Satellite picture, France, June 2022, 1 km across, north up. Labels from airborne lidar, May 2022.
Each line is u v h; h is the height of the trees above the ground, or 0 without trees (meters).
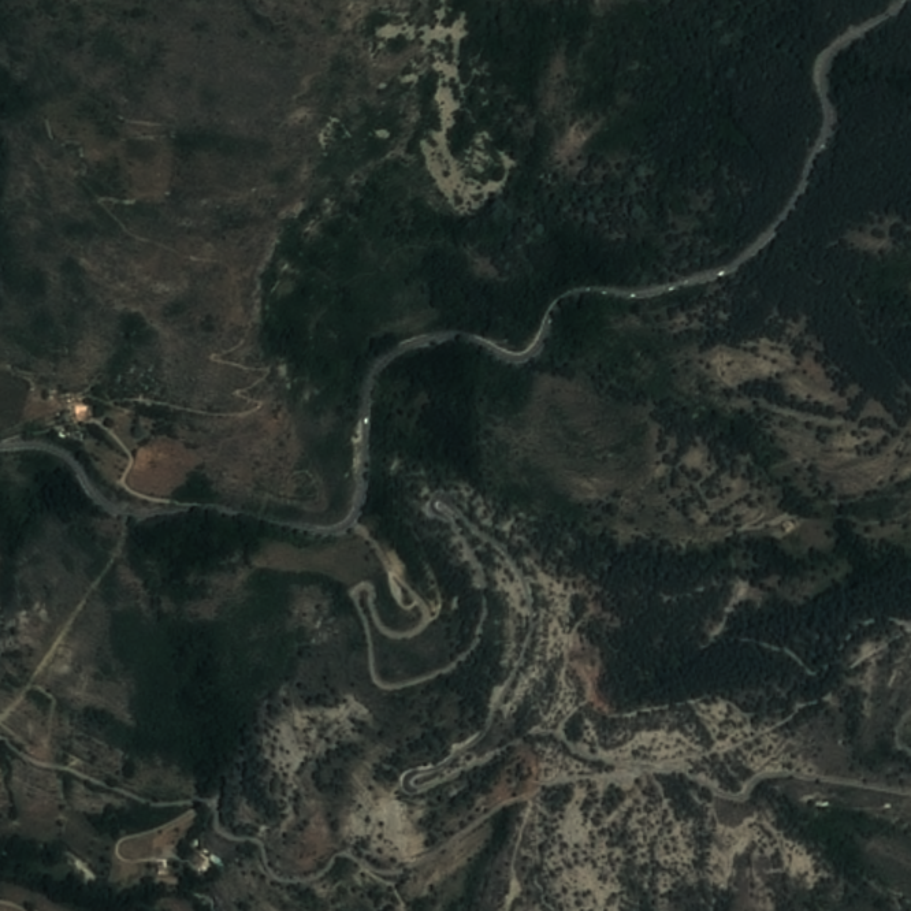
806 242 15
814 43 21
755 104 17
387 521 10
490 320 10
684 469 8
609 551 9
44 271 0
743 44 12
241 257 0
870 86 23
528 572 6
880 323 8
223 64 0
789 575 7
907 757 7
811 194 18
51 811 0
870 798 0
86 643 0
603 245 16
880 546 10
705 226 6
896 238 12
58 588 0
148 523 9
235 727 11
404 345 0
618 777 0
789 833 6
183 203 0
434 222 9
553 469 0
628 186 17
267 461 0
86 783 9
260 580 7
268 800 10
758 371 0
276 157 0
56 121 0
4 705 0
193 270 0
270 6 0
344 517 0
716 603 9
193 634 8
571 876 0
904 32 19
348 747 6
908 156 17
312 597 0
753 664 11
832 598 8
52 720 0
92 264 0
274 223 0
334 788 9
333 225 7
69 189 0
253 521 15
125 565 0
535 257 13
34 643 0
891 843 0
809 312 9
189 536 13
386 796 0
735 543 10
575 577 6
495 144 7
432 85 6
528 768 5
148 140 0
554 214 8
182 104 0
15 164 0
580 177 11
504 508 7
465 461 13
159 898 7
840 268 17
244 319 0
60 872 0
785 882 6
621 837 6
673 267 11
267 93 0
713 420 10
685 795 7
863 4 13
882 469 0
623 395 8
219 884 0
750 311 13
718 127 10
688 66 17
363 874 7
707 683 11
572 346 6
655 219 9
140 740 9
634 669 12
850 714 8
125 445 0
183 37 0
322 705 8
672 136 9
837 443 0
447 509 0
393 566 0
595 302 14
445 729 9
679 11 16
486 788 7
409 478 8
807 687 10
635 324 0
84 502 11
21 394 0
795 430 0
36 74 0
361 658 0
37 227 0
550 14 10
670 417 10
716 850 0
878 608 8
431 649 0
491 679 8
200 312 0
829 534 11
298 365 10
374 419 9
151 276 0
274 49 0
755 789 6
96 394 8
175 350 0
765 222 15
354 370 12
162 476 0
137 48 0
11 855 12
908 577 8
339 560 0
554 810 7
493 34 7
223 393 0
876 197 18
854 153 17
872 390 12
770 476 7
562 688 0
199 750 12
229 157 0
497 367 6
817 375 0
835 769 0
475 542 8
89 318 0
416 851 0
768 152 17
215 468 0
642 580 12
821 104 9
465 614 7
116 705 0
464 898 7
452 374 14
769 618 14
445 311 6
